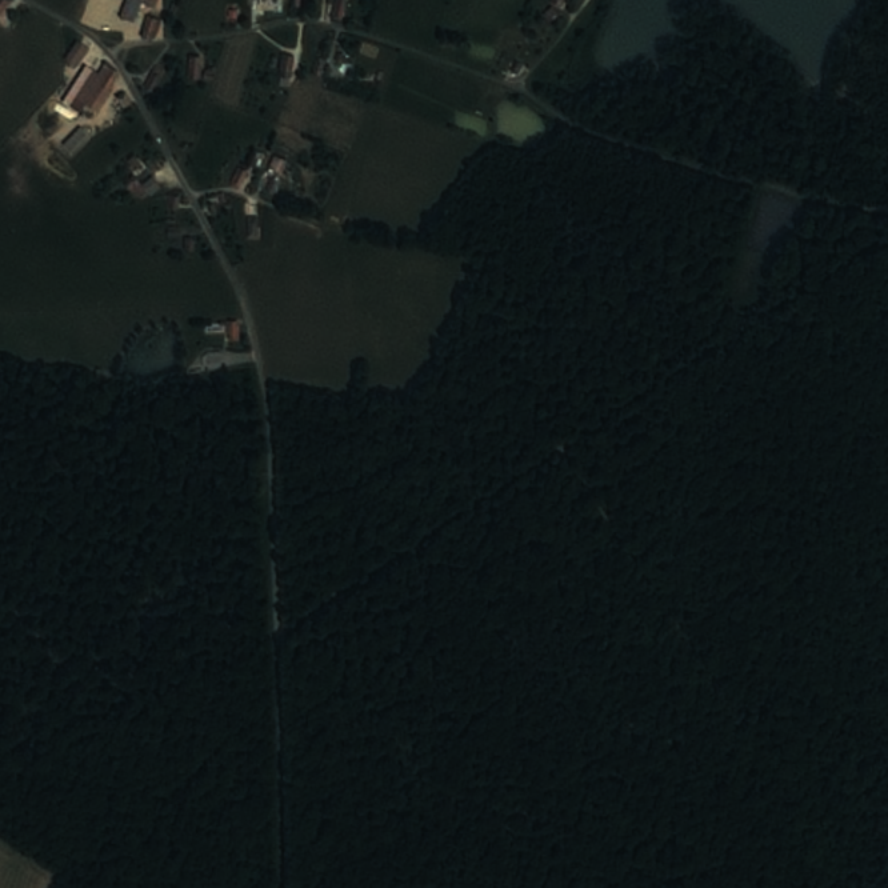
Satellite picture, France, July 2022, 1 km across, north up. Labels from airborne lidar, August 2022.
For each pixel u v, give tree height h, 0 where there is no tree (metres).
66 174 0
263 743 25
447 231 25
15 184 0
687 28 25
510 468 23
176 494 23
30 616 16
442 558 16
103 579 26
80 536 23
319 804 21
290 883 20
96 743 25
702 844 24
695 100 15
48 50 0
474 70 0
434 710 22
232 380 19
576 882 25
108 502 20
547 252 16
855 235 22
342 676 13
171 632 22
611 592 26
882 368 25
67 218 0
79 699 20
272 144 8
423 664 27
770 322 21
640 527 22
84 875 20
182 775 21
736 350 21
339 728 23
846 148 14
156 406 28
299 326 0
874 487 24
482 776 22
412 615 26
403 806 17
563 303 18
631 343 25
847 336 24
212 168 0
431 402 24
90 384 18
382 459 18
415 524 26
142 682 26
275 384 15
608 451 23
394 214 0
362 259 0
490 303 23
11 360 16
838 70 16
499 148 13
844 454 19
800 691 23
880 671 22
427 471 15
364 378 24
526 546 24
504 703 23
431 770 26
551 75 0
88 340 0
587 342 27
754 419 22
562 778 26
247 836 23
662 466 19
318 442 24
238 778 14
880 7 22
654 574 20
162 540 27
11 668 27
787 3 0
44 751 28
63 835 24
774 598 25
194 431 27
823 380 25
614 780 23
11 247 0
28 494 20
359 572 20
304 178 0
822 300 26
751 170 19
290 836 19
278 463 9
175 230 0
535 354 26
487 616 26
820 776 20
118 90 0
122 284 0
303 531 22
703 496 24
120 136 0
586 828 20
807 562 21
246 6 0
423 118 0
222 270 0
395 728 28
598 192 15
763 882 24
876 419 27
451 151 0
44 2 0
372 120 0
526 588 21
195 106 0
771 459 25
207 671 22
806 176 14
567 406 21
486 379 27
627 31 0
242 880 22
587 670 16
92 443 24
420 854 25
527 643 19
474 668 21
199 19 0
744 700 19
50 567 26
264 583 14
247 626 21
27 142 0
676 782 15
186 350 11
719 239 22
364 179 0
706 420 20
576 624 21
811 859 21
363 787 22
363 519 21
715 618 23
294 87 0
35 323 0
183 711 24
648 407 21
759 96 19
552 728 20
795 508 17
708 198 14
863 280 27
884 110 13
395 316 0
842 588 21
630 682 27
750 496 27
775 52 16
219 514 21
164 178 0
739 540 24
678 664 23
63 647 24
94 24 0
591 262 30
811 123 23
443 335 16
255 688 23
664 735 24
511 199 17
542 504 24
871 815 18
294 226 0
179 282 0
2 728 25
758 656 19
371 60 0
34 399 21
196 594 23
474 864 20
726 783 22
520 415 26
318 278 0
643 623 20
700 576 18
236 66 0
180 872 26
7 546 24
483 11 0
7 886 0
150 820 23
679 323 17
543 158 16
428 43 0
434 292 0
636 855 25
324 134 0
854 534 22
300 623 19
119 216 0
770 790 23
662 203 20
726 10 20
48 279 0
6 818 21
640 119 15
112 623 15
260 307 0
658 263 24
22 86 0
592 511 20
